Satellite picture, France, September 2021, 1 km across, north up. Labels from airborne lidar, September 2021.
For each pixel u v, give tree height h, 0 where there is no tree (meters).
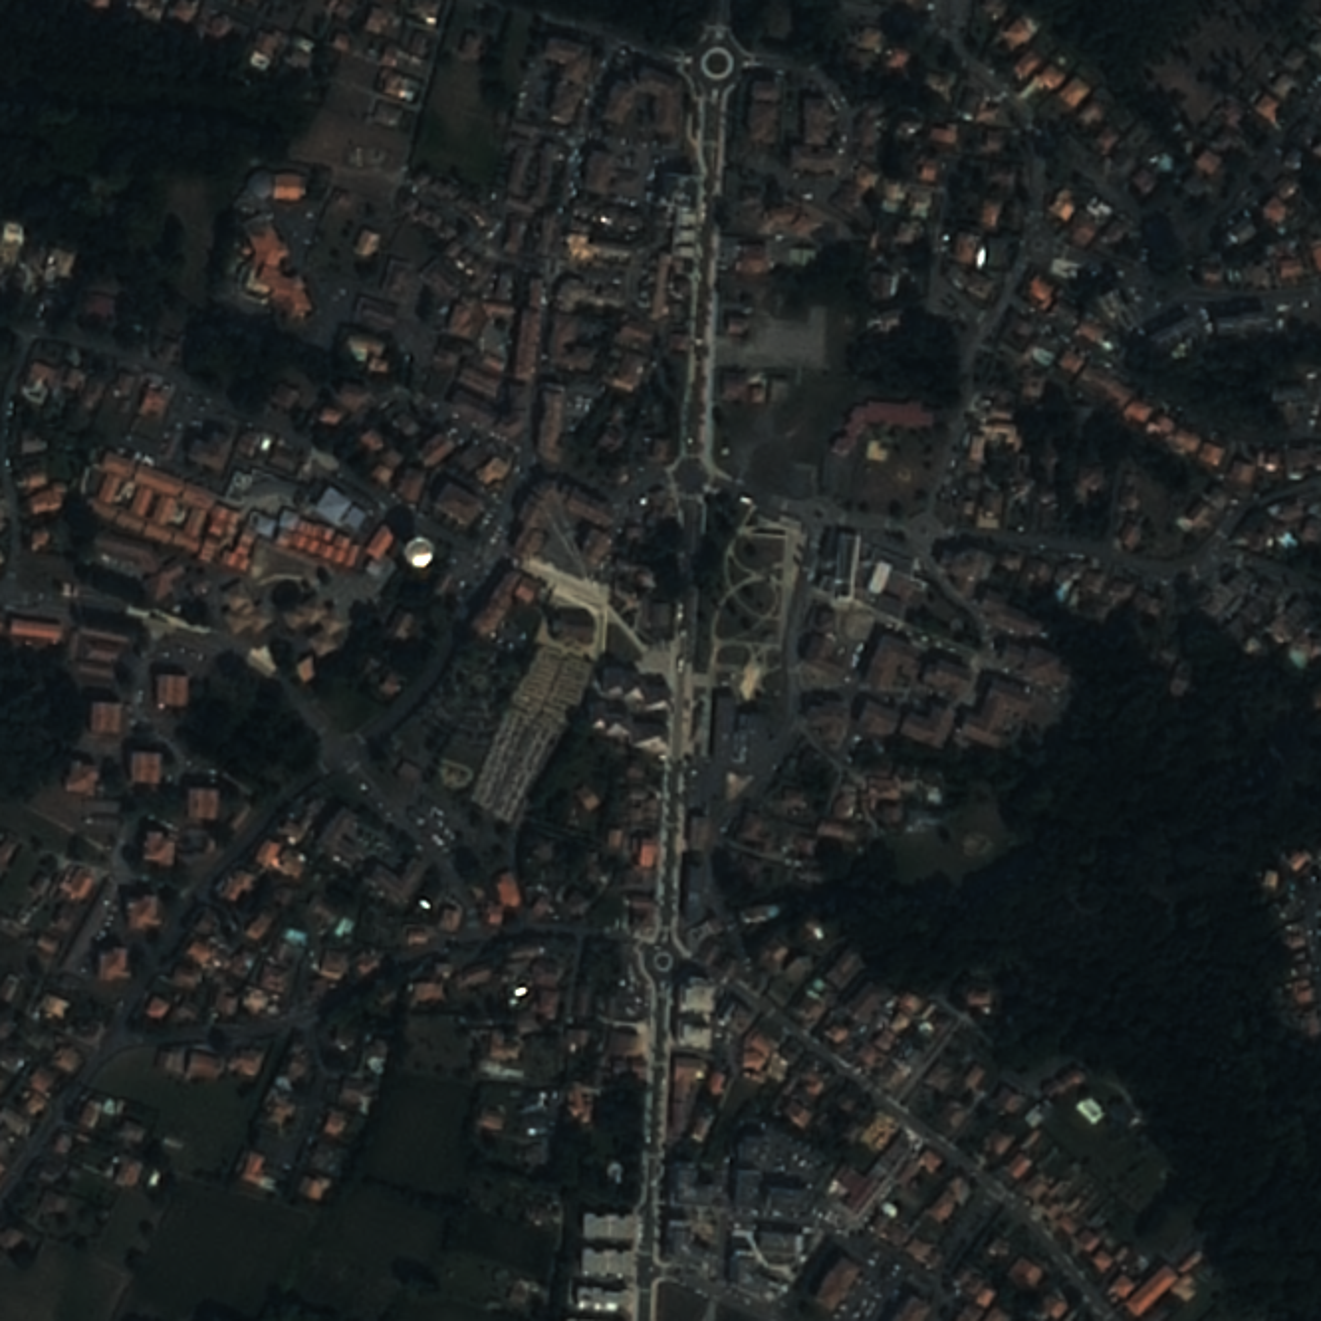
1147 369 22
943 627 9
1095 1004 22
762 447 0
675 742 0
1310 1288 28
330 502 0
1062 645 21
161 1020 11
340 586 0
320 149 0
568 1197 20
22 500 9
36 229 26
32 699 24
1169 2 24
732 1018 0
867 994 0
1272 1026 18
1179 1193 18
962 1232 0
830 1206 0
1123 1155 0
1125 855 31
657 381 7
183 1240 0
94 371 11
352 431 7
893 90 12
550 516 0
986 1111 7
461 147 0
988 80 0
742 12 16
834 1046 6
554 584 0
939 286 0
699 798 0
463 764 0
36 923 0
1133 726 25
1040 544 0
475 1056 9
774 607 0
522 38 0
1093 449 9
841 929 15
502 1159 0
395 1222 0
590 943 5
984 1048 7
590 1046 9
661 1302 0
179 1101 0
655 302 0
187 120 18
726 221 15
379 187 0
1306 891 10
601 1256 0
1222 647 22
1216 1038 27
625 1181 7
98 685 0
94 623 15
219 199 0
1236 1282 19
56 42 18
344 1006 19
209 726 21
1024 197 15
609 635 0
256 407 16
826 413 0
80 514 19
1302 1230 26
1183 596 17
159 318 6
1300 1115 27
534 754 0
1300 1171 29
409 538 0
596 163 0
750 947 12
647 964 0
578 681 0
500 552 0
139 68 21
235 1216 0
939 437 8
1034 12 8
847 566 0
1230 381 17
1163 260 24
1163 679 14
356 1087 0
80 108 6
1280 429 13
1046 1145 0
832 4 22
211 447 0
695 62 0
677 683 0
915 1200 0
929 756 11
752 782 0
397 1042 13
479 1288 0
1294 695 16
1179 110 7
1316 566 18
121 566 0
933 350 20
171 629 0
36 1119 7
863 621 0
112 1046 0
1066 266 0
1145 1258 0
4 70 10
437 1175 0
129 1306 0
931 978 6
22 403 7
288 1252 0
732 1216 0
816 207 0
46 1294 0
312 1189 0
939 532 0
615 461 9
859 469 0
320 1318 12
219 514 0
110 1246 0
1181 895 16
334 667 18
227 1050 15
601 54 9
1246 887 23
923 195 0
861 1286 0
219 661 0
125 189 16
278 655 13
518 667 11
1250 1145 26
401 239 0
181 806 15
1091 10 13
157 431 0
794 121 0
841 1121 9
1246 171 14
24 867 0
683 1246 0
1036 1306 14
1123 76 25
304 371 12
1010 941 18
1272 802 36
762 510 0
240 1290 0
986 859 0
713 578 14
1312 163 13
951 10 0
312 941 0
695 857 11
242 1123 0
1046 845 23
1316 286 0
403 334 0
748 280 0
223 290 17
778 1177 0
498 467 0
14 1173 0
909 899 15
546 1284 6
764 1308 0
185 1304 0
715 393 0
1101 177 0
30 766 32
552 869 9
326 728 0
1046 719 0
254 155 18
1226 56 6
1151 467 7
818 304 0
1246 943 15
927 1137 0
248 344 19
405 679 17
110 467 0
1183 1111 26
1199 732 23
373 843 7
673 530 17
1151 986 16
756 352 0
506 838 8
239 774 14
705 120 0
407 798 0
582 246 0
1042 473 10
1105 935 16
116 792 16
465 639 16
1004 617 0
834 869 17
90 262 9
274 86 6
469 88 0
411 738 0
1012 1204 0
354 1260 0
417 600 19
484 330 0
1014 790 23
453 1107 0
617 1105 14
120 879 0
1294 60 0
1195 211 11
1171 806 26
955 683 0
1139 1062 24
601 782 7
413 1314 0
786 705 0
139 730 8
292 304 0
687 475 0
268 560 0
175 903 12
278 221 0
